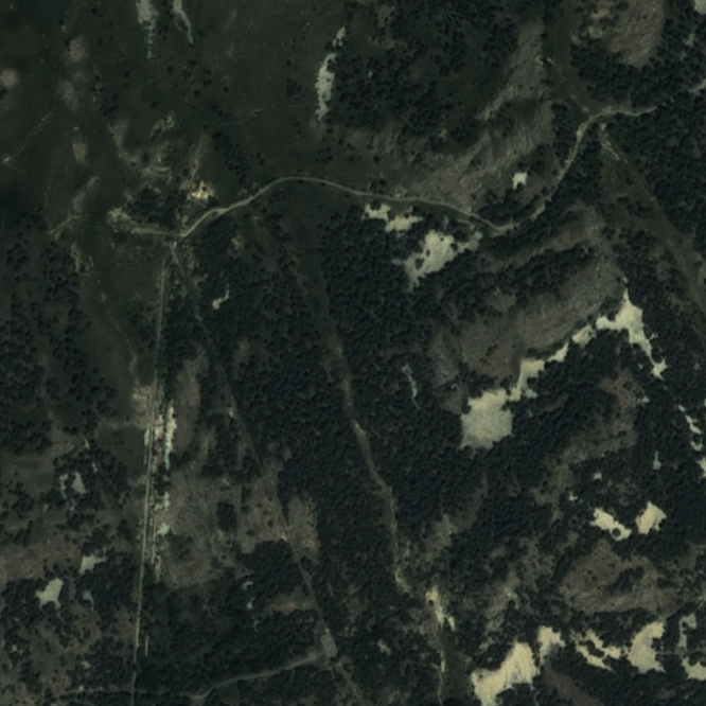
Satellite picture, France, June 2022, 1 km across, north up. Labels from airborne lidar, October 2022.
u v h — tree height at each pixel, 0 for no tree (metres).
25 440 7
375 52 0
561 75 0
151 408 0
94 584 13
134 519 0
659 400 17
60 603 7
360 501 8
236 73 0
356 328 16
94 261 0
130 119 0
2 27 0
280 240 9
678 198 31
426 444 8
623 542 7
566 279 9
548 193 19
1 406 16
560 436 15
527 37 0
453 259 0
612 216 10
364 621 11
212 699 9
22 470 0
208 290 9
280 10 0
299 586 15
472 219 10
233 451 12
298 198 0
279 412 15
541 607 15
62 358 23
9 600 15
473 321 13
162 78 0
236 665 15
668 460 15
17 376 8
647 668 0
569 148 22
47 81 0
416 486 24
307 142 0
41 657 0
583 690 9
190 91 0
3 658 0
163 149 0
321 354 9
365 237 24
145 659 10
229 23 0
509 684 0
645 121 21
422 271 0
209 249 14
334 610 12
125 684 12
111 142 0
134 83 0
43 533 0
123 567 9
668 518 10
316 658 0
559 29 0
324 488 10
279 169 0
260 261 13
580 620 12
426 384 8
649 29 0
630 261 6
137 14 0
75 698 9
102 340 0
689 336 16
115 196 0
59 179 0
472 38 0
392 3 7
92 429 13
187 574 0
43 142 0
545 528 10
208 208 8
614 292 0
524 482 13
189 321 10
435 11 11
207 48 0
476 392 10
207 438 0
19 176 0
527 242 10
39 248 0
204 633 10
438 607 0
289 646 9
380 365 16
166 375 7
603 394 14
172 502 0
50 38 0
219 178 0
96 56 0
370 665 14
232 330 10
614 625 10
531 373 0
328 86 0
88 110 0
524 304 8
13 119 0
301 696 15
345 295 15
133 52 0
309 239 0
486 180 0
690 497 15
